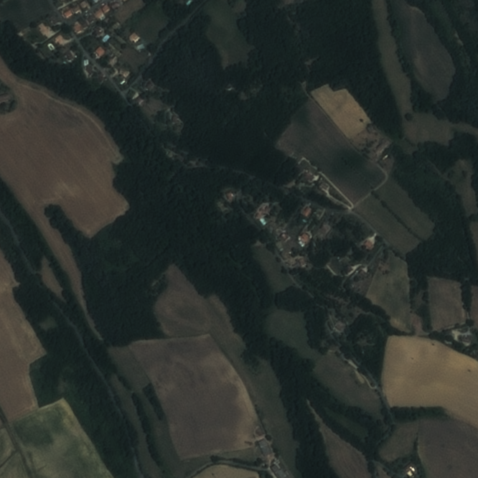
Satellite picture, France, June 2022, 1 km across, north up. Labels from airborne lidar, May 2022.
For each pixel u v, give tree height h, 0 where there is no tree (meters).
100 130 0
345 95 0
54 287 0
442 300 0
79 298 0
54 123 0
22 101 0
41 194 0
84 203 0
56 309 16
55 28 11
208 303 0
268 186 25
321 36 13
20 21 0
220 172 22
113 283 16
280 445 0
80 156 0
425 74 0
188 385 0
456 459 0
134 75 8
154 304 11
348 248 16
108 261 8
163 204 17
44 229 0
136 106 13
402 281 0
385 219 0
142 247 15
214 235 23
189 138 15
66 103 0
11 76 0
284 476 0
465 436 0
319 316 22
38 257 14
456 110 13
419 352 0
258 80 10
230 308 11
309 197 16
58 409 0
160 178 20
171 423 0
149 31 0
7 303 0
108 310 14
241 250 19
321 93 0
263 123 10
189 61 13
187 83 19
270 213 11
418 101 17
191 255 25
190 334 0
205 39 13
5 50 15
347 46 21
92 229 0
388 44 0
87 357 14
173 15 10
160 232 14
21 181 0
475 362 0
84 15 6
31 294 21
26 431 0
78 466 0
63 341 16
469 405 0
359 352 9
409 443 0
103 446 8
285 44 16
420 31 0
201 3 8
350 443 12
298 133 0
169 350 0
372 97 14
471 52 14
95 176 0
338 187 0
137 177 12
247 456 0
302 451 15
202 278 14
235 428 0
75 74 17
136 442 16
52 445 0
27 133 0
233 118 9
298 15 11
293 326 0
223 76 18
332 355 0
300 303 22
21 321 0
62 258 0
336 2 9
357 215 0
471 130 0
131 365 0
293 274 17
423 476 9
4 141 0
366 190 0
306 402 8
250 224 11
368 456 11
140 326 14
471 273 14
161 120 10
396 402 0
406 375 0
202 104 14
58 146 0
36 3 0
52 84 15
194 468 0
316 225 6
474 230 0
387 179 0
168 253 16
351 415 13
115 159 0
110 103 17
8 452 0
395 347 0
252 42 15
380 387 10
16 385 0
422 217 0
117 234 11
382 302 0
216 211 8
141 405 18
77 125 0
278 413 0
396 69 0
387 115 10
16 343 0
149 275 14
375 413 0
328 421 14
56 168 0
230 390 0
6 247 9
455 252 10
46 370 12
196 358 0
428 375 0
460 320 0
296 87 8
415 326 0
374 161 0
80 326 13
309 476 17
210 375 0
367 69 13
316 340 17
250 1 11
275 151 9
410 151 0
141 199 13
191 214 25
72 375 5
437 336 11
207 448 0
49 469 0
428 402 0
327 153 0
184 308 0
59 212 16
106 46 9
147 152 23
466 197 0
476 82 9
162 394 0
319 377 0
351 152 0
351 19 13
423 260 10
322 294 7
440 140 0
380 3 0
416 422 0
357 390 0
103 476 0
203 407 0
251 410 0
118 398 15
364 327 10
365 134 0
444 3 11
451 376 0
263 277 14
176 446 0
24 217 6
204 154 12
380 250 0
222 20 0
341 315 9
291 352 19
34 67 22
